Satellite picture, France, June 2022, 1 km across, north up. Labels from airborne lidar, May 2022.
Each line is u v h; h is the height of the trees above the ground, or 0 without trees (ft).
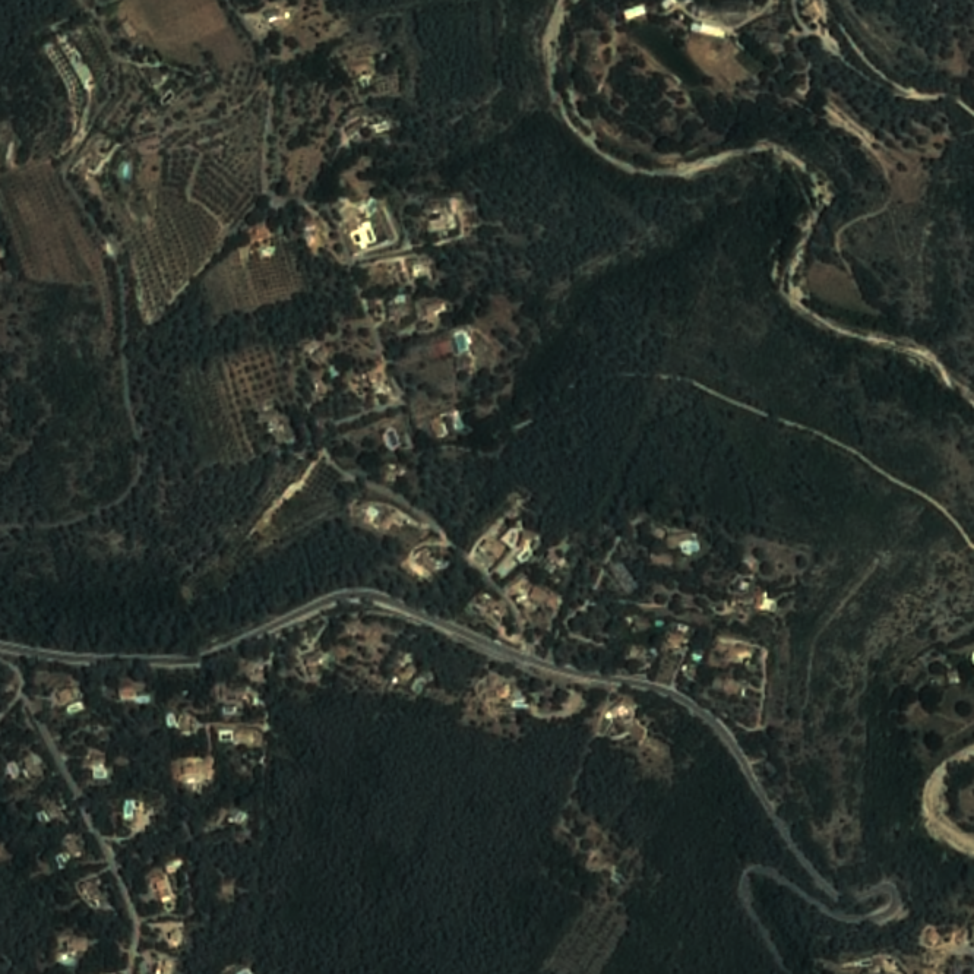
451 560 57
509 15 41
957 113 39
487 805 47
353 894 39
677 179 30
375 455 48
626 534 64
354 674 56
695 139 22
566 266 52
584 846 25
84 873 26
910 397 33
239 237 31
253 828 20
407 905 54
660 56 0
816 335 26
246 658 55
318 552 44
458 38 50
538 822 46
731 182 20
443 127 53
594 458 46
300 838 47
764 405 43
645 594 40
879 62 43
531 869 48
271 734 28
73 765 27
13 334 30
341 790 39
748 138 85
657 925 21
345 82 35
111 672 65
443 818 57
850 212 31
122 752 43
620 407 52
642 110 21
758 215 22
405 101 19
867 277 19
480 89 51
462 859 61
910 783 38
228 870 61
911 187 0
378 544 41
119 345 25
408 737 60
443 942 54
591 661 52
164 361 69
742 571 45
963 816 65
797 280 30
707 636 47
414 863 45
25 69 21
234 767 19
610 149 31
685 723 21
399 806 67
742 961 25
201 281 31
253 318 64
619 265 20
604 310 39
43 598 38
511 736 22
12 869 49
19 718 27
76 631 47
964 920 19
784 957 27
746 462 45
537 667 0
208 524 50
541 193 38
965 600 0
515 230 38
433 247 36
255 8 22
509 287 51
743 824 25
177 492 50
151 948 25
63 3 81
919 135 50
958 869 50
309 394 48
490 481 51
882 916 0
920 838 33
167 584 28
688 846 22
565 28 25
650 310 43
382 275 0
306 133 35
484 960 58
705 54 0
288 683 23
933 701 52
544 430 40
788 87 34
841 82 51
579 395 26
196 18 0
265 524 0
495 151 20
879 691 28
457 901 61
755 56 35
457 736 50
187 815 37
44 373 25
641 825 52
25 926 61
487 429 37
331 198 49
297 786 51
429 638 49
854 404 36
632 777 50
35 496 49
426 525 0
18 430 42
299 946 44
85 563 28
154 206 0
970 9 44
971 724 0
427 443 43
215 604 50
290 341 35
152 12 0
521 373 21
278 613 55
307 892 23
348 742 53
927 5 45
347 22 0
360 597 0
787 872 19
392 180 35
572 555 20
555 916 26
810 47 44
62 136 17
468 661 52
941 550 0
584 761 52
